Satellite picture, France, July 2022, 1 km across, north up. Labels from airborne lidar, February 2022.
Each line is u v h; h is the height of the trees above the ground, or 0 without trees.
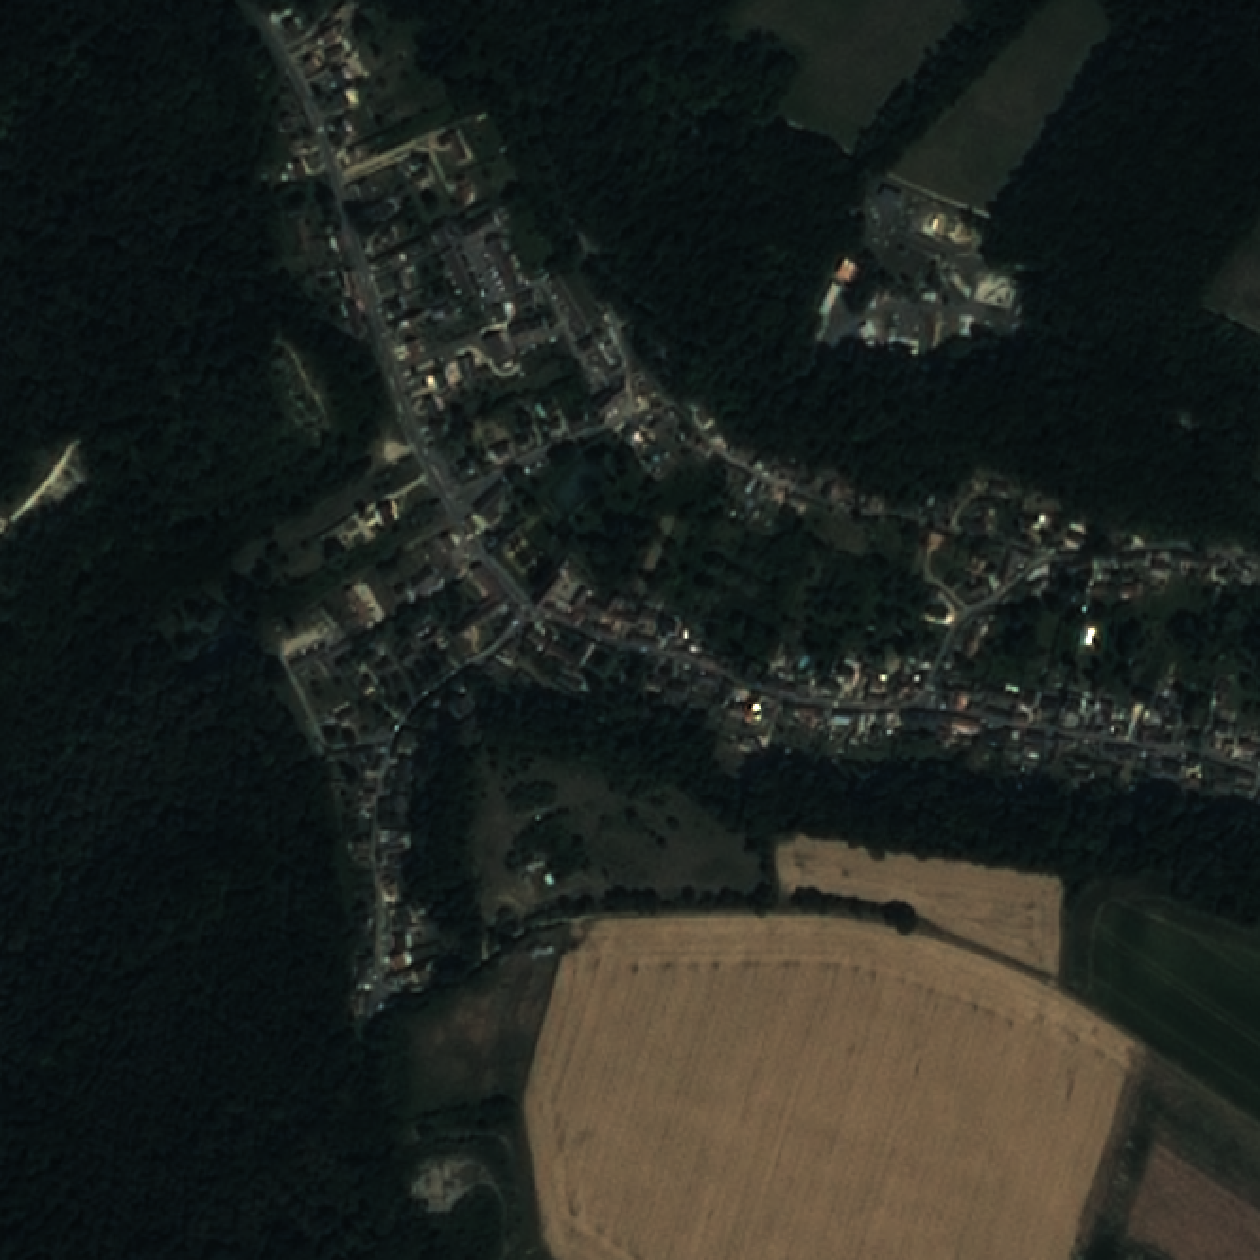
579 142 21
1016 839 19
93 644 19
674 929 0
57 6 18
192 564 20
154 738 25
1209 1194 0
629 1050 0
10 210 26
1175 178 24
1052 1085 0
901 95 11
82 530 19
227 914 14
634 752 18
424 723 6
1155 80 26
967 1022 0
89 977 7
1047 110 0
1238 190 27
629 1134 0
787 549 8
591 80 22
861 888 0
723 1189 0
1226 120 26
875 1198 0
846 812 22
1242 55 28
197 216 19
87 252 18
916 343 0
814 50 0
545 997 0
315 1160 25
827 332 0
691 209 8
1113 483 18
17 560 13
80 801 26
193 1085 18
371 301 0
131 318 22
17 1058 19
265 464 13
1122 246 25
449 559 0
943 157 0
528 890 0
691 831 0
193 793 23
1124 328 20
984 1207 0
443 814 22
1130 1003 0
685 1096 0
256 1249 26
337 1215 21
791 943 0
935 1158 0
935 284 10
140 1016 16
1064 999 0
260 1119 21
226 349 31
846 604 7
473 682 13
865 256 13
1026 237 17
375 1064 20
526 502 11
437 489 0
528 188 9
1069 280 23
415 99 0
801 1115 0
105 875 20
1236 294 0
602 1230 0
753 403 18
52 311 23
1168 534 13
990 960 0
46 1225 21
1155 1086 0
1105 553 7
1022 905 0
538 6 19
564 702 15
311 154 0
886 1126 0
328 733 12
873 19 0
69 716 16
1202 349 14
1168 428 22
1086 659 0
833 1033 0
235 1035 18
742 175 15
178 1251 24
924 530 6
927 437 19
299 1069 20
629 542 22
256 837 18
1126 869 17
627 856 0
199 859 18
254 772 25
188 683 19
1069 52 0
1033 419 20
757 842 12
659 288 10
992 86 0
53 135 24
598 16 17
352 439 18
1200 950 0
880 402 20
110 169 21
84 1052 11
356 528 0
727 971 0
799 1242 0
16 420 13
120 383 18
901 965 0
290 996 18
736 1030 0
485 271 0
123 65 23
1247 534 9
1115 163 24
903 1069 0
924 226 0
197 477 18
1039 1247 0
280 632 0
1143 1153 0
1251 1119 0
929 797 22
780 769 22
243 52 24
